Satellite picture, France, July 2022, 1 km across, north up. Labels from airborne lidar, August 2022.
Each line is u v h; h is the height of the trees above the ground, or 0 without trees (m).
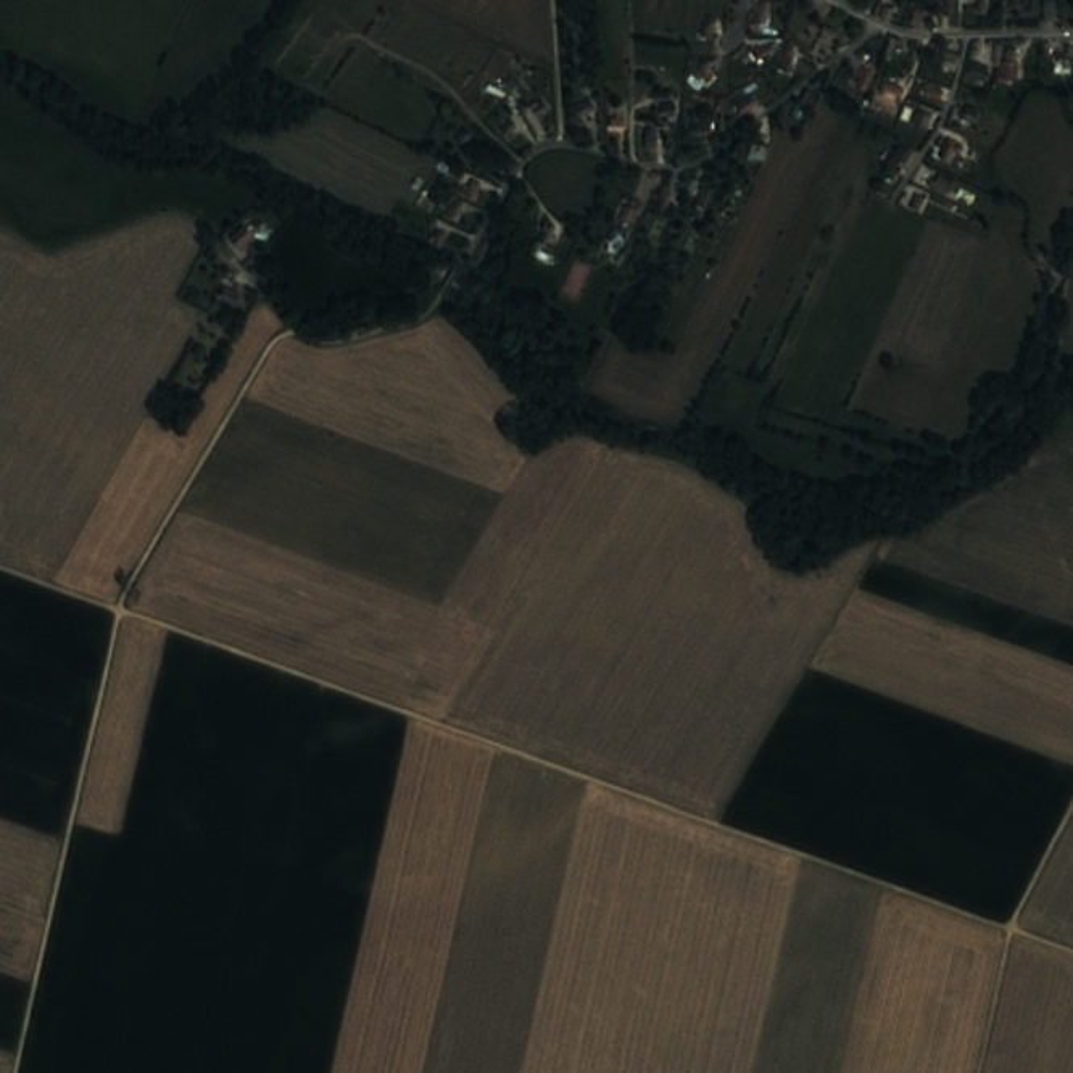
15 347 0
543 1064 0
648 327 18
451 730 0
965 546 0
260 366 0
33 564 0
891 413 0
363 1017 0
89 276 0
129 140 21
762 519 22
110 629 0
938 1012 0
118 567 0
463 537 0
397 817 0
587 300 0
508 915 0
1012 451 15
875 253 0
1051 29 0
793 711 0
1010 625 0
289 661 0
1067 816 0
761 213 0
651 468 0
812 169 0
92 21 0
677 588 0
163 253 0
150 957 0
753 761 0
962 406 0
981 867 0
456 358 0
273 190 19
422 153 10
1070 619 0
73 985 0
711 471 13
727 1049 0
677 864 0
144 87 0
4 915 0
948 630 0
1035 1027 0
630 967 0
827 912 0
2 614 0
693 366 0
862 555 0
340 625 0
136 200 0
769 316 0
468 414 0
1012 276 0
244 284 0
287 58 0
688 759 0
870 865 0
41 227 0
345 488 0
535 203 10
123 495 0
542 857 0
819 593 0
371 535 0
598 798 0
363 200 0
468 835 0
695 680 0
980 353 0
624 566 0
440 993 0
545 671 0
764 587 0
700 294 0
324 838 0
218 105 31
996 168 0
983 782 0
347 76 0
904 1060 0
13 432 0
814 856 0
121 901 0
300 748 0
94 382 0
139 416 0
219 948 0
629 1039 0
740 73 0
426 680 0
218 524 0
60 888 0
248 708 0
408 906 0
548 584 0
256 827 0
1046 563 0
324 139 0
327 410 0
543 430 21
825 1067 0
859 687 0
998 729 0
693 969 0
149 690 0
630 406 0
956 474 16
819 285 0
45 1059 0
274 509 0
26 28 0
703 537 0
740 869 0
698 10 0
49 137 0
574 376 26
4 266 0
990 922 0
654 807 0
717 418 0
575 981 0
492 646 0
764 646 0
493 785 0
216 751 0
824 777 0
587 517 0
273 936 0
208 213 0
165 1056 0
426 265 16
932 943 0
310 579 0
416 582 0
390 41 0
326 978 0
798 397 0
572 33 16
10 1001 0
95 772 0
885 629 0
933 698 0
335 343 0
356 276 0
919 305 0
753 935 0
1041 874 0
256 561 0
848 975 0
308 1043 0
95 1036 0
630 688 0
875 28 0
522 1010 0
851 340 0
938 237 0
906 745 0
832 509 23
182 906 0
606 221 8
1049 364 20
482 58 0
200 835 0
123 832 0
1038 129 0
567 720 0
